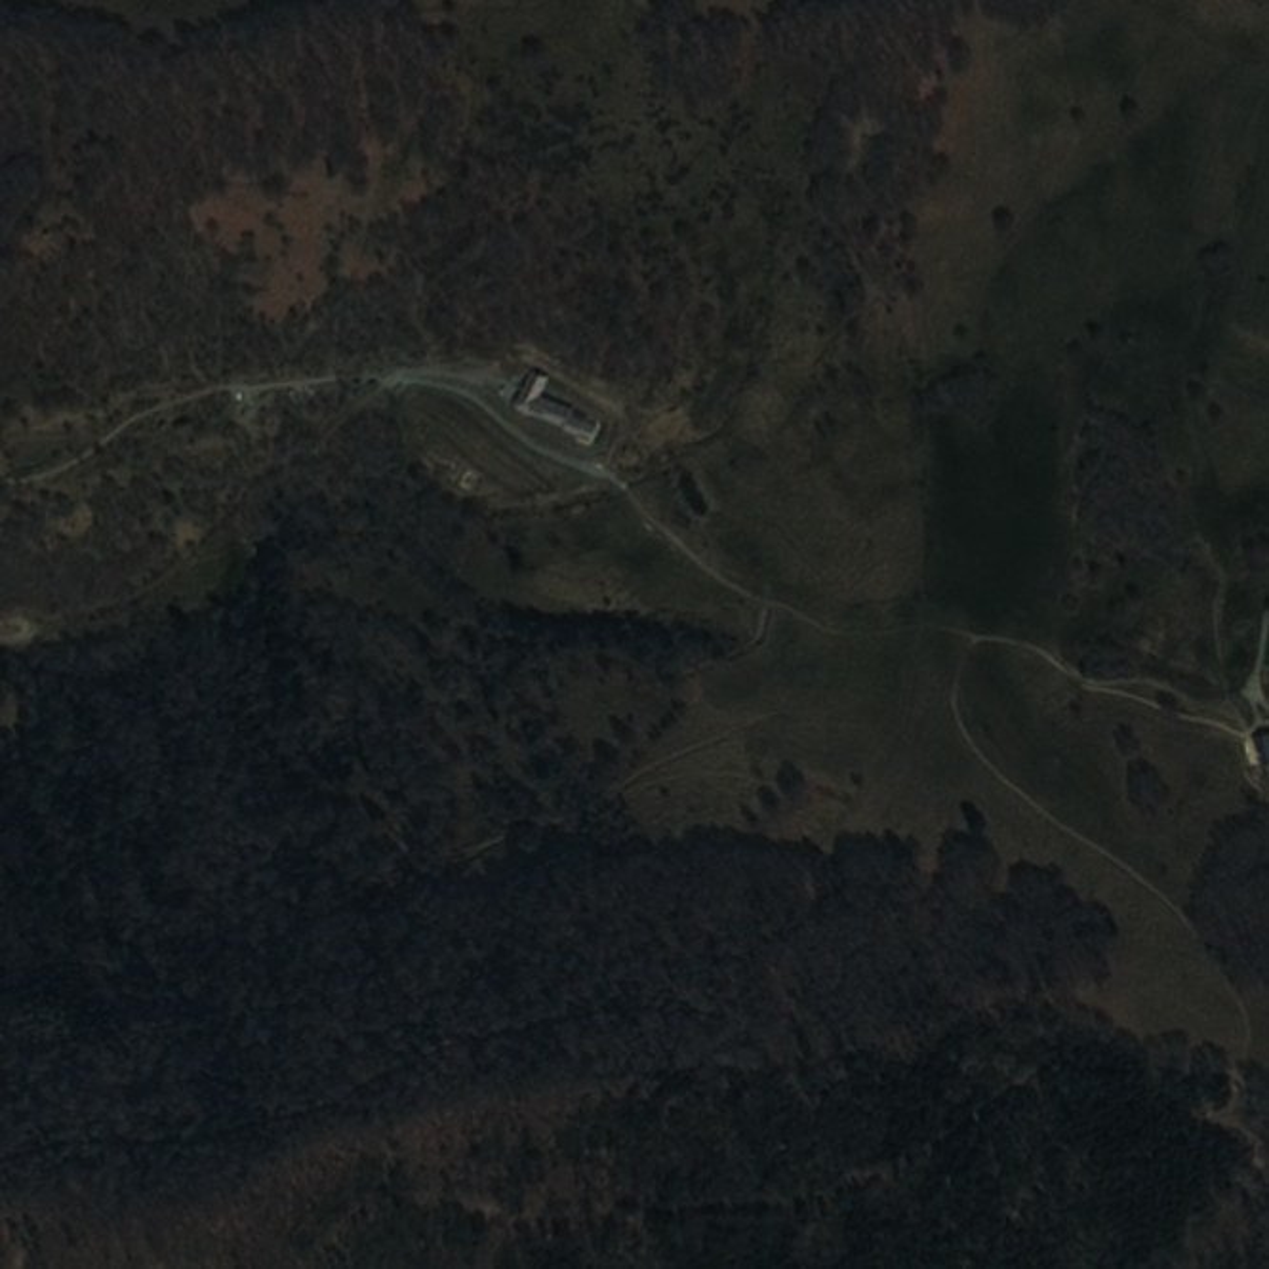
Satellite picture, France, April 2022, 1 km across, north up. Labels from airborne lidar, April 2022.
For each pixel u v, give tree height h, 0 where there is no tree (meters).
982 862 19
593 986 24
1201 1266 19
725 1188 17
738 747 0
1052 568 0
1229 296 0
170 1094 26
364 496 18
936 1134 14
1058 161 0
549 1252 21
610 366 10
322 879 25
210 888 17
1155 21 0
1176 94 0
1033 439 0
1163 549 14
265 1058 28
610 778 10
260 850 28
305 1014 26
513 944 20
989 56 0
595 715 0
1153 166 0
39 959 17
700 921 18
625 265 10
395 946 22
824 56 14
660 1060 14
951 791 0
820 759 0
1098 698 0
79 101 19
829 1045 14
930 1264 32
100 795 22
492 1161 16
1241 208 0
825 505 0
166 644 24
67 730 30
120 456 7
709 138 0
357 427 13
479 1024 25
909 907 23
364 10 18
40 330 14
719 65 17
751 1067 15
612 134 0
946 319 0
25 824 20
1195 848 0
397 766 21
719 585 0
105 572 10
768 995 24
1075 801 0
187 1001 22
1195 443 0
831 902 23
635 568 0
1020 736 0
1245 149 0
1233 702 0
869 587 0
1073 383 0
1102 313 0
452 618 10
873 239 14
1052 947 23
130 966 23
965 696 0
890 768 0
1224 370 0
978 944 23
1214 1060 17
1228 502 0
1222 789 0
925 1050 17
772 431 0
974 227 0
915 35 18
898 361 0
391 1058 22
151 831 25
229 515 12
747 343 0
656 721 0
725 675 0
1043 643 0
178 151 20
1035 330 0
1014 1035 17
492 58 0
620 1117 12
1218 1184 18
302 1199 21
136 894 24
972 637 0
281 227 9
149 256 12
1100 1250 23
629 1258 21
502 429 0
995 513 0
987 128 0
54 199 11
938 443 0
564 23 0
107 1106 21
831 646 0
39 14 15
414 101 23
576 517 0
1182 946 0
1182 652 0
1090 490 14
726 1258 19
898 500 0
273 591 34
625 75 0
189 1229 16
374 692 23
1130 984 0
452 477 0
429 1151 18
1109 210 0
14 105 16
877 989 25
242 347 11
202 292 12
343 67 20
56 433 0
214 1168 21
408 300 12
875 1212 17
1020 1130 24
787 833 0
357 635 21
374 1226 24
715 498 0
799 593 0
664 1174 23
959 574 0
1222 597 0
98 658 20
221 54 20
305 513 21
